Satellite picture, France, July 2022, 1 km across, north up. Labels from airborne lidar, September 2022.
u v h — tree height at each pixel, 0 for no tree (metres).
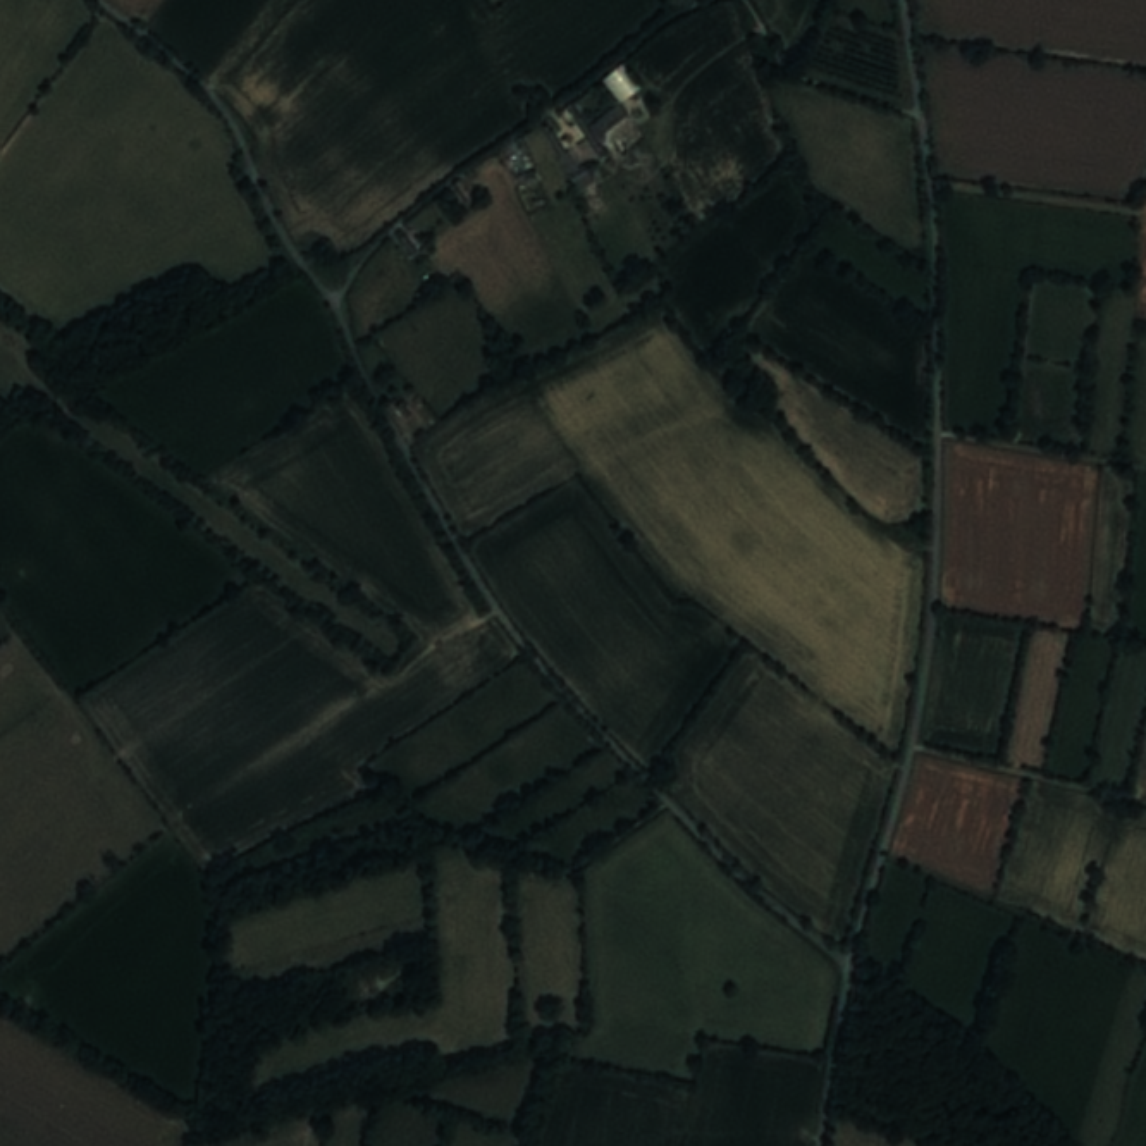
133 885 0
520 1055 9
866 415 12
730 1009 0
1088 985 0
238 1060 19
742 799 0
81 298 0
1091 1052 0
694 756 0
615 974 0
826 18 12
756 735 0
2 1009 14
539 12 0
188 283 21
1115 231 0
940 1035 20
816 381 7
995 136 0
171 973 0
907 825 0
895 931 0
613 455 0
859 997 13
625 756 6
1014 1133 20
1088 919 11
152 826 0
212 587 0
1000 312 0
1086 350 15
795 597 0
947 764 0
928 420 8
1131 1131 0
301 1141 0
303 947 0
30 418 17
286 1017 17
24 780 0
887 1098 21
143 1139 0
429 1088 13
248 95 0
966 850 0
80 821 0
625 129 0
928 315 9
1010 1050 0
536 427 0
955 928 0
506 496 0
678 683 0
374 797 17
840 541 0
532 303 0
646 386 0
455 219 9
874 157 0
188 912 0
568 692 7
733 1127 0
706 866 0
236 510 7
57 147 0
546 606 0
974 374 0
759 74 14
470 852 16
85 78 0
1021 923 6
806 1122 0
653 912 0
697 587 0
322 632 15
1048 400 0
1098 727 7
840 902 0
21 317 17
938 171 9
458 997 0
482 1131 11
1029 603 0
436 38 0
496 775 0
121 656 0
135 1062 0
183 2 0
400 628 12
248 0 0
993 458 0
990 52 13
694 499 0
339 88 0
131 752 0
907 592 0
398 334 0
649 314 14
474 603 6
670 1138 0
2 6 0
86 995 0
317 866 19
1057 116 0
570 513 0
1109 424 0
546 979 0
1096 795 12
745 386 10
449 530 7
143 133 0
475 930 0
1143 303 0
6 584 0
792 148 8
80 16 0
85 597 0
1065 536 0
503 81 0
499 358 17
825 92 9
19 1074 0
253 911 8
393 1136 0
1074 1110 0
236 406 0
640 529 0
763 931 0
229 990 20
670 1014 0
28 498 0
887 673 0
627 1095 0
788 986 0
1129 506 12
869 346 0
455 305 0
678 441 0
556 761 0
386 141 0
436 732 0
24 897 0
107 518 0
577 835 0
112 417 14
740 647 8
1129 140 0
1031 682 0
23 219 0
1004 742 11
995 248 0
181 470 10
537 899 0
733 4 9
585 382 0
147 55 13
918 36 7
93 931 0
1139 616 0
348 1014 13
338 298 0
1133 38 0
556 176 0
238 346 0
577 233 0
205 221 0
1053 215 0
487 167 0
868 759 0
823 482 10
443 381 0
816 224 12
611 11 0
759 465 0
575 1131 0
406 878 0
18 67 0
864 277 7
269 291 15
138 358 16
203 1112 13
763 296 11
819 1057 11
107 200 0
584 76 7
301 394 0
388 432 15
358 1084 23
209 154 0
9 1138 0
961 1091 22
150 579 0
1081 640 6
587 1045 0
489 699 0
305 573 7
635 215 0
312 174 0
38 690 0
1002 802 0
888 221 0
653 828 0
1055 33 0
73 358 17
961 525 0
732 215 14
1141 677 0
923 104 11
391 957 9
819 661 0
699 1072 11
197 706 0
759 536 0
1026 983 0
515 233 0
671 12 9
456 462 0
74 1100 0
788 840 0
